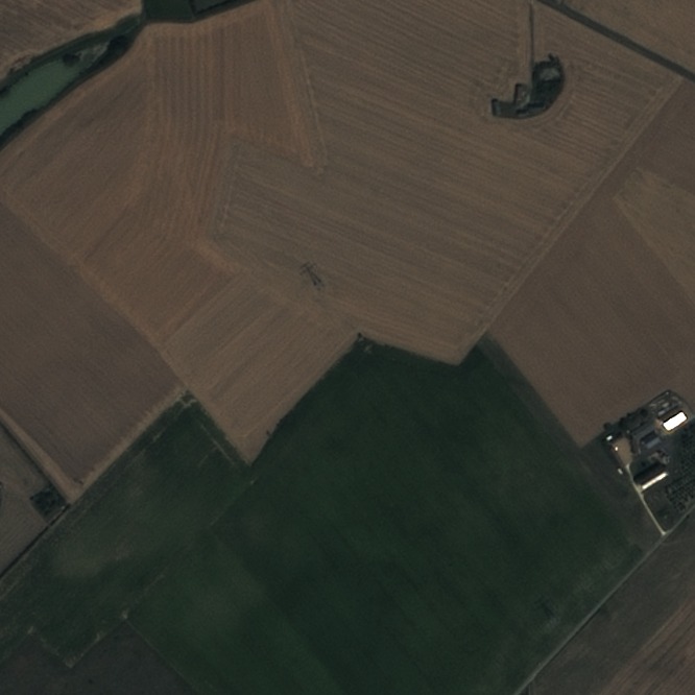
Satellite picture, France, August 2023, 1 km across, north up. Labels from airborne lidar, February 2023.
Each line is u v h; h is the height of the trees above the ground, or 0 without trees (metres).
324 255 0
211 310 0
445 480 0
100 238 0
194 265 0
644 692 0
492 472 0
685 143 0
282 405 0
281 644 0
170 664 0
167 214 0
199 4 0
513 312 0
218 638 0
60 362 0
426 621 0
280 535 0
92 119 0
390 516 0
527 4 0
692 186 0
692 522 0
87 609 0
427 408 0
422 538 0
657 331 0
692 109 0
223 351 0
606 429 8
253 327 0
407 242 0
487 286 0
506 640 0
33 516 0
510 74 0
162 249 0
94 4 0
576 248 0
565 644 0
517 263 0
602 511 0
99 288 0
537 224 0
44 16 0
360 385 0
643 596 0
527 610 0
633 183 0
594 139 0
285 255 0
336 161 0
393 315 0
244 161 0
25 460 0
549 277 0
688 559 0
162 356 0
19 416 0
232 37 0
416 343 0
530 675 0
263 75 0
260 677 0
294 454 0
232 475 0
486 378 0
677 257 0
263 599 0
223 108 0
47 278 0
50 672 0
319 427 0
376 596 0
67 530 0
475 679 0
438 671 0
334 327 0
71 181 0
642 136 0
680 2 0
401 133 0
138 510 0
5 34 0
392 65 0
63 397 0
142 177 0
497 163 0
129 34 0
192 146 0
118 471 0
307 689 0
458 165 0
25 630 0
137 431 0
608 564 0
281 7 0
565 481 0
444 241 0
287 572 0
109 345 0
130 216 0
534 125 0
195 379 0
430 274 0
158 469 0
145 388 0
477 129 0
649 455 0
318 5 0
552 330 0
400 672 0
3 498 0
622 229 0
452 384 0
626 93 0
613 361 0
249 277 0
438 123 0
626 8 0
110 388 0
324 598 0
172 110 0
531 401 0
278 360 0
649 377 0
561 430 0
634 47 0
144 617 0
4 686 0
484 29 0
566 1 0
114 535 0
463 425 0
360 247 0
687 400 0
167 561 0
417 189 0
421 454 0
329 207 0
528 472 0
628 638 0
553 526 0
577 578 0
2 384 0
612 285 0
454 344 0
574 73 0
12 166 0
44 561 0
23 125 9
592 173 0
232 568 0
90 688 0
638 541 0
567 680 0
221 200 0
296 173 0
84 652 0
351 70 0
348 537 0
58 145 0
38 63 0
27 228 0
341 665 0
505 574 0
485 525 0
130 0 0
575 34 0
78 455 0
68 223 0
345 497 0
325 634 0
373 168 0
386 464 0
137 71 0
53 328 0
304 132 0
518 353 0
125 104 0
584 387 0
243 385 0
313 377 0
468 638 0
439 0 0
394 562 0
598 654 0
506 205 0
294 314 0
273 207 0
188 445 0
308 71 0
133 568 0
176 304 0
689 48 0
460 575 0
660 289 0
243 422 0
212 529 0
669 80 0
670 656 0
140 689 0
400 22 0
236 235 0
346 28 0
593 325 0
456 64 0
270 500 0
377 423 0
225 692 0
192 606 0
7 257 0
